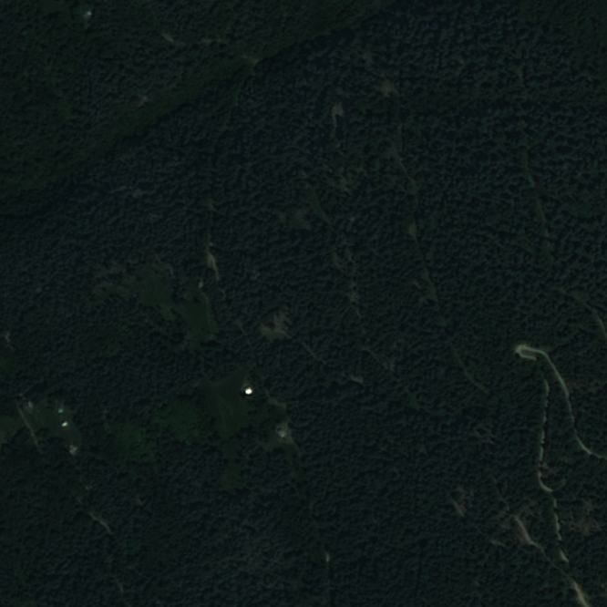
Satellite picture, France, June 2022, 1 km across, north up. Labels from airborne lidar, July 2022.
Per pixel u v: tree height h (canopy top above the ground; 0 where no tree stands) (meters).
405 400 8
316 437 25
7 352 25
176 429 17
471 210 9
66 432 0
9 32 17
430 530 21
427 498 14
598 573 12
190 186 10
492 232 28
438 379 17
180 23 17
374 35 13
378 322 20
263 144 21
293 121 12
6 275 16
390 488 24
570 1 9
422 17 38
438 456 25
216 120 19
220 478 25
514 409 9
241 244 30
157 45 15
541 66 26
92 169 18
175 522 27
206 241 23
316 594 22
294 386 24
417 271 20
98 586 6
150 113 9
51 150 25
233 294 28
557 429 8
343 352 25
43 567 16
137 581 19
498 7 21
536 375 13
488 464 24
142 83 30
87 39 20
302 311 23
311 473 19
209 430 13
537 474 9
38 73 12
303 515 21
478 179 30
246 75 9
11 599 19
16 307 11
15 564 23
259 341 28
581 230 21
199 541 21
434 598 21
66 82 25
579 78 21
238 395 0
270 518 32
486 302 14
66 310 18
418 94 25
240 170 34
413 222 9
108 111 24
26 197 15
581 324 12
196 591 29
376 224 34
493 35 22
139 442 16
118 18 15
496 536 26
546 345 18
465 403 13
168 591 23
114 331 19
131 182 16
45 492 25
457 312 17
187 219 22
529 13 7
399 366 18
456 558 17
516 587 13
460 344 13
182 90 16
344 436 27
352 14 7
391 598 23
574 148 20
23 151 24
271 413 13
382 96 27
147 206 26
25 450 22
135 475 23
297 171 26
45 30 15
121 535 19
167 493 26
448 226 11
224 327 29
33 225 26
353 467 26
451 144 13
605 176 19
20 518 24
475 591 24
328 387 10
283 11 7
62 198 12
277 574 7
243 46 23
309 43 11
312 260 14
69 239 27
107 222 20
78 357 13
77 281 17
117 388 20
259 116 8
